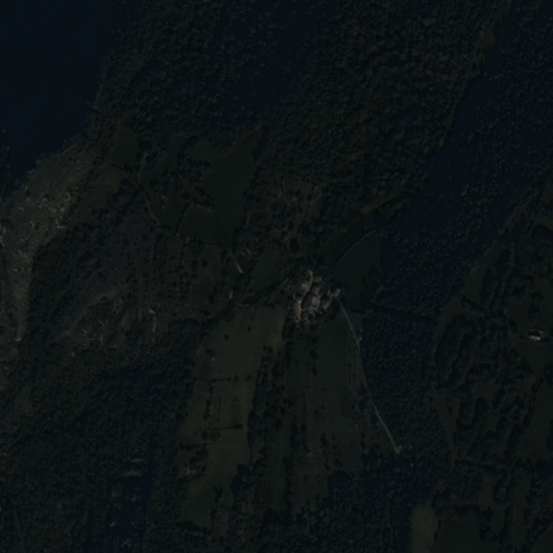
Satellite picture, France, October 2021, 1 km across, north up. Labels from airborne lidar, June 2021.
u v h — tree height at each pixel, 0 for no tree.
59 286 16
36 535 8
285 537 12
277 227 7
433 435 11
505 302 9
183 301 7
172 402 8
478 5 18
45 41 18
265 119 13
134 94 15
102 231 7
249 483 13
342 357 0
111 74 12
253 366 0
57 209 0
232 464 0
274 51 20
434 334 7
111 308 6
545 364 0
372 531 11
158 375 10
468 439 11
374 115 27
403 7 20
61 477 24
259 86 19
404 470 15
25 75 12
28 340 15
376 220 0
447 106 20
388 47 27
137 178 9
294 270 12
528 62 18
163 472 7
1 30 21
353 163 26
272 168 10
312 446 0
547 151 15
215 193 0
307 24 17
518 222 0
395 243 15
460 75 18
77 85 6
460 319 0
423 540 0
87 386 16
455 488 13
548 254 16
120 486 10
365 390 7
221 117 13
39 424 15
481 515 16
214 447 0
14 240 0
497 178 18
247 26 30
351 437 0
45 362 12
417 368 13
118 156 0
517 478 9
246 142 0
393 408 14
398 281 14
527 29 15
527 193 9
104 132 6
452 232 21
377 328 14
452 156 15
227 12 26
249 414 0
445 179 26
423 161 24
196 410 0
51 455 14
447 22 20
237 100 24
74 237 13
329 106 15
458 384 9
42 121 7
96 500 6
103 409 13
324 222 14
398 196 21
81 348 6
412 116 22
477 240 11
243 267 6
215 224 0
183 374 9
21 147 9
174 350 14
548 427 0
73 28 7
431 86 19
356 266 0
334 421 0
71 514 6
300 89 11
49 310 16
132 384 15
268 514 0
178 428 12
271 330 0
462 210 20
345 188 17
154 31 7
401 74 29
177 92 17
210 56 22
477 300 0
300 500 0
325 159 13
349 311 10
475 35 16
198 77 12
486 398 0
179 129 11
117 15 7
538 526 11
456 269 16
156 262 8
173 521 15
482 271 0
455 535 0
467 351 16
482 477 10
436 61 21
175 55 23
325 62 17
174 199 0
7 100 7
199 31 23
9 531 20
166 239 8
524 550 0
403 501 10
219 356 0
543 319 0
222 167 0
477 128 27
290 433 0
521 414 9
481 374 12
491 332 12
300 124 13
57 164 0
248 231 7
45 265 16
